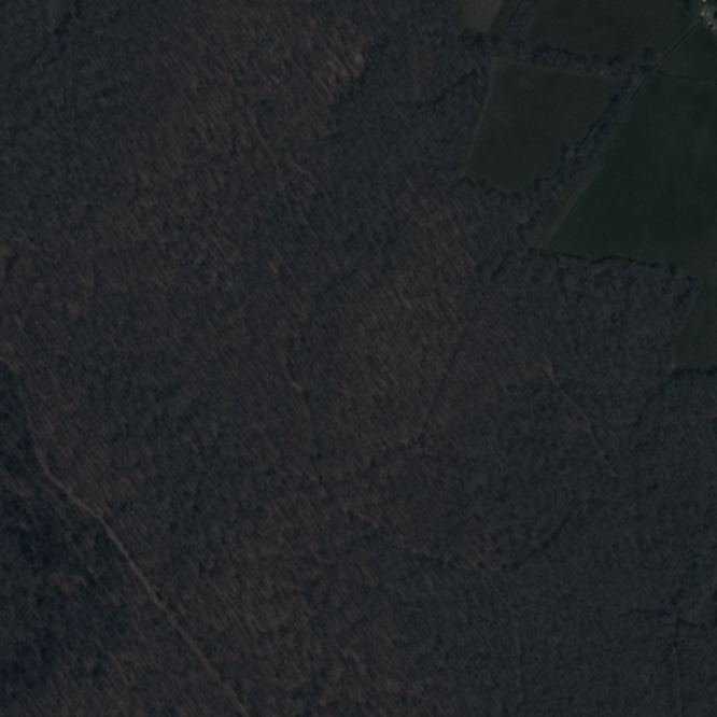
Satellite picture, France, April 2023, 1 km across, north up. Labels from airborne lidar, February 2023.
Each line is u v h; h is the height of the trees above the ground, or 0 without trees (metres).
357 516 13
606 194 0
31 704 23
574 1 0
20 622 19
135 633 26
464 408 22
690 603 24
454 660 22
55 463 21
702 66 0
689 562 19
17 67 15
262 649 23
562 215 0
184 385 22
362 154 27
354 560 24
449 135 18
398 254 26
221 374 25
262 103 24
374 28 21
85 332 26
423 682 18
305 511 25
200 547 25
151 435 24
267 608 25
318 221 25
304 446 25
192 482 23
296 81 25
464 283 22
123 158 27
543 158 0
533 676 18
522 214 24
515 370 24
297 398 21
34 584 19
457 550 15
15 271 26
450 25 13
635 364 22
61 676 22
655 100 0
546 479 11
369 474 12
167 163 27
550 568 22
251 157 23
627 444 21
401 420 24
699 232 0
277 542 26
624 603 22
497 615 22
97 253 22
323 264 26
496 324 21
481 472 12
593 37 0
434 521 18
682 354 0
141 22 18
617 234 0
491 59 26
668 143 0
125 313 16
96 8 19
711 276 0
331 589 24
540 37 0
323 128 23
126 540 24
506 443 17
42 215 25
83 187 20
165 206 25
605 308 15
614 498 22
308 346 22
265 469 23
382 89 24
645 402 16
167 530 24
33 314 25
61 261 24
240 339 24
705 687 18
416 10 23
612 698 10
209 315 20
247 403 25
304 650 25
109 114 14
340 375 23
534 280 11
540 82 0
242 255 21
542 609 16
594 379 25
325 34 21
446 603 27
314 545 25
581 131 0
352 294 26
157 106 22
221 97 27
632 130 0
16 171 20
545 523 19
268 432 26
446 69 17
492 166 0
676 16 0
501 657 22
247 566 23
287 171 22
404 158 25
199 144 26
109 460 25
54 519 20
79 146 13
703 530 19
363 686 24
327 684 26
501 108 0
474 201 20
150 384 22
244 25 21
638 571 21
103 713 23
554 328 26
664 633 23
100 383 25
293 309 26
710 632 19
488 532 22
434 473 22
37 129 26
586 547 18
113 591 23
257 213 24
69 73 19
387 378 26
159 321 25
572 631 19
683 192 0
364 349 25
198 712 26
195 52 25
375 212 25
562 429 24
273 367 22
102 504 26
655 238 0
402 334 24
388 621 25
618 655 16
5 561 22
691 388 16
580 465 12
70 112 13
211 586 20
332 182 23
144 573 24
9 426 26
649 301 23
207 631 21
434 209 26
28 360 24
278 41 23
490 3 0
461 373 24
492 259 18
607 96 0
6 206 25
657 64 13
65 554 23
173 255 21
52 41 21
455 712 25
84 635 24
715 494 24
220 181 26
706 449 18
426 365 18
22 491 22
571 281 25
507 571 20
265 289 22
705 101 0
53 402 26
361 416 26
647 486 16
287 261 24
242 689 25
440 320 19
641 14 0
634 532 24
